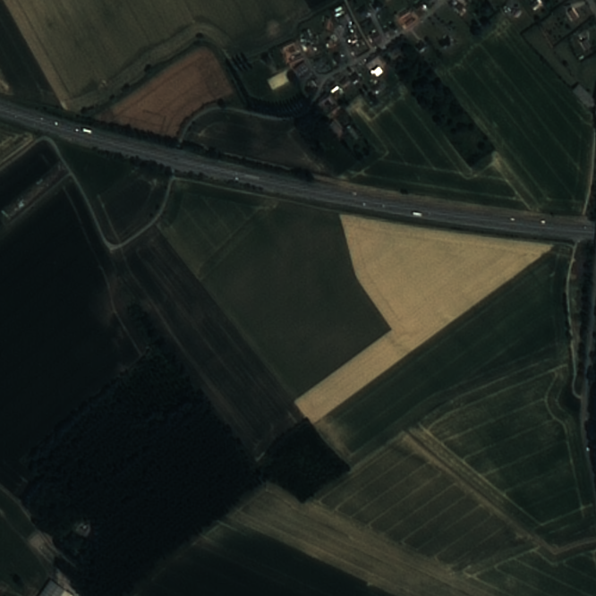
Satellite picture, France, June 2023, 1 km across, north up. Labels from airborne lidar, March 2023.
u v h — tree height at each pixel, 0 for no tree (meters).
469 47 0
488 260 0
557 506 0
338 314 0
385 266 0
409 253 0
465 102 0
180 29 0
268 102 0
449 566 0
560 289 0
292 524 0
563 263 0
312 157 0
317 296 0
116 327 0
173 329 0
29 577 0
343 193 0
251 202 0
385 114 0
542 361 0
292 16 0
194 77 0
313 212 0
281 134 0
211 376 0
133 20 0
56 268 0
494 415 0
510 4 0
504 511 0
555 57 0
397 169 0
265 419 0
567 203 0
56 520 19
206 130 0
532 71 0
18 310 0
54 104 0
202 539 0
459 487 0
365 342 0
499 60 0
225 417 0
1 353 0
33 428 0
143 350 0
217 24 0
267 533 0
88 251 0
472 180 0
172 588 0
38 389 0
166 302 0
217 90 0
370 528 0
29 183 0
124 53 0
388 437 0
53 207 0
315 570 0
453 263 0
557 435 0
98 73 0
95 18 0
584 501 0
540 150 0
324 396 0
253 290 0
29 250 0
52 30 0
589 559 0
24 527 0
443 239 0
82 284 0
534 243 0
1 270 0
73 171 0
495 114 0
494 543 0
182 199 0
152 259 0
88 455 26
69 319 0
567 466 0
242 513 0
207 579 0
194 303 0
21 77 0
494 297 0
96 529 17
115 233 0
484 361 0
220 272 0
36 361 0
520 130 0
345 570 0
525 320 0
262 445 0
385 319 0
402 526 0
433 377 0
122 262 0
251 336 0
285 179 0
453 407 0
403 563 0
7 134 0
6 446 0
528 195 0
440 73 0
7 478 0
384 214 0
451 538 0
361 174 0
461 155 0
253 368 0
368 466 0
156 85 0
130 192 0
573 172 0
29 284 0
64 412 0
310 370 0
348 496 0
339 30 0
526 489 0
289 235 0
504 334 0
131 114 0
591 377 16
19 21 0
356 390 0
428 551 0
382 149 0
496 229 0
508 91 0
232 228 0
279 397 0
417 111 0
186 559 0
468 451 0
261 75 0
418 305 0
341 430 0
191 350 0
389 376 0
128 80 0
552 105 0
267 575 0
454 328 0
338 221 0
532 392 0
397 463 0
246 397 0
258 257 0
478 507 0
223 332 0
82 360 0
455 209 0
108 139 0
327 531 0
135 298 0
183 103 0
